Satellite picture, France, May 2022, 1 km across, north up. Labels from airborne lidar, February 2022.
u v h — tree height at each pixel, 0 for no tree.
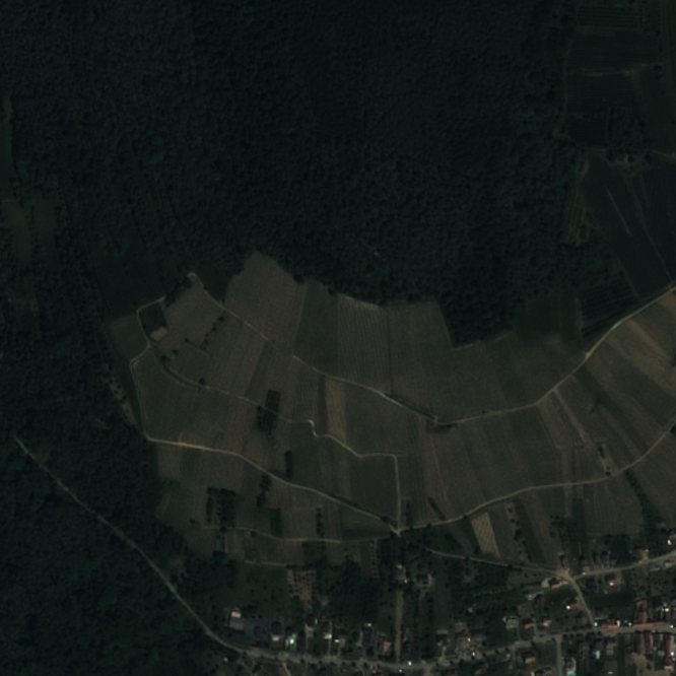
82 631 25
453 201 10
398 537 11
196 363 0
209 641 16
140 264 0
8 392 23
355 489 0
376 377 0
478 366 0
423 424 0
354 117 8
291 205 21
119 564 30
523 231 16
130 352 0
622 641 0
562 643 0
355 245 18
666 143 0
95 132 21
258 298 0
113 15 25
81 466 25
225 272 10
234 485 0
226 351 0
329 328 0
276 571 0
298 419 0
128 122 18
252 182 26
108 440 25
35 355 26
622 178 0
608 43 0
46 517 28
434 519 0
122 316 0
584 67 0
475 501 0
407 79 12
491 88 14
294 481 0
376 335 0
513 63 11
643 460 0
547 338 0
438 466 0
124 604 29
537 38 25
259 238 20
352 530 0
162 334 0
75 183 19
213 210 21
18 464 26
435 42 15
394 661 6
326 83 10
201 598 25
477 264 21
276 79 24
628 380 0
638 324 0
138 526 28
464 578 5
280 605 0
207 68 17
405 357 0
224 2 25
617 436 0
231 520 6
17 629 7
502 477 0
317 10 10
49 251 0
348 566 7
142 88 23
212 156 22
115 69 20
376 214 7
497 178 14
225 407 0
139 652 23
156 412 0
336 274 19
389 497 0
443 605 0
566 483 0
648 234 0
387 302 12
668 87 0
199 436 0
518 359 0
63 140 21
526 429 0
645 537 0
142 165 13
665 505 0
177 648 16
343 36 7
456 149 13
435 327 0
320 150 18
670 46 0
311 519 0
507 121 19
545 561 0
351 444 0
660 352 0
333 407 0
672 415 0
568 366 0
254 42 25
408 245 17
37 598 27
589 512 0
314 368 0
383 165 24
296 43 12
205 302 0
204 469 0
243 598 0
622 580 0
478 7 16
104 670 21
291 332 0
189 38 20
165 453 0
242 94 24
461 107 14
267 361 0
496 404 0
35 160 16
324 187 11
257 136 25
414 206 20
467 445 0
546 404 0
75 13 20
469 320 19
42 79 22
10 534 35
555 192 16
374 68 12
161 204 6
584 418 0
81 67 25
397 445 0
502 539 0
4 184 0
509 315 16
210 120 23
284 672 0
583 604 0
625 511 0
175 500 0
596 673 0
